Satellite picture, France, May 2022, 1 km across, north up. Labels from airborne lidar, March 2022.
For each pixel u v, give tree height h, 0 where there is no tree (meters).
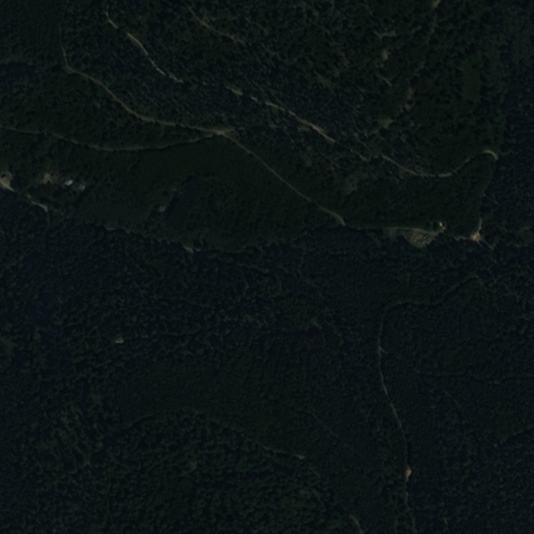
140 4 28
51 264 27
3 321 32
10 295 8
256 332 23
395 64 11
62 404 34
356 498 23
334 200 13
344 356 23
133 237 13
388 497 20
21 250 27
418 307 12
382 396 13
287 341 26
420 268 26
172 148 11
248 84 30
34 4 17
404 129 9
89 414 14
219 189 8
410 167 25
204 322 30
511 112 26
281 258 29
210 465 32
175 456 30
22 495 27
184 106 6
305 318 23
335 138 31
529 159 26
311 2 29
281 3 28
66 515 25
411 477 6
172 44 29
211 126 12
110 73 32
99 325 33
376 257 13
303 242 23
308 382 24
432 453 14
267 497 34
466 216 16
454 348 17
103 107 33
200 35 7
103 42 32
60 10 14
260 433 22
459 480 30
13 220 18
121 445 34
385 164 33
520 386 13
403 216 11
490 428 11
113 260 37
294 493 32
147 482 32
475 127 10
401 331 18
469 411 20
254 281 32
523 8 30
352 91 31
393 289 16
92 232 25
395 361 16
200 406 21
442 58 8
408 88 16
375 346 14
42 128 23
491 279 17
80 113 17
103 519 16
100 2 21
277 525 35
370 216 11
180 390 19
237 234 9
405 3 7
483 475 31
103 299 25
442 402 32
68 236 29
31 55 20
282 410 21
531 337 12
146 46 0
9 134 10
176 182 13
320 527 35
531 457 29
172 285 17
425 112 10
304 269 19
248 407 20
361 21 14
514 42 25
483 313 13
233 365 23
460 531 29
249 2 31
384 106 13
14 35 21
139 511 8
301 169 15
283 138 31
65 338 34
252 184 12
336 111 32
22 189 20
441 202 10
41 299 6
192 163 12
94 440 39
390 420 11
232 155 12
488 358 10
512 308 14
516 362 16
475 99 0
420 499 34
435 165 7
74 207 18
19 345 33
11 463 10
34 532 29
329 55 10
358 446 16
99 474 21
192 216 13
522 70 24
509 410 12
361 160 26
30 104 12
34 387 16
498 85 24
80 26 19
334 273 22
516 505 22
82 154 14
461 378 15
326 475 21
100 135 13
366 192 14
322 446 23
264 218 9
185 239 12
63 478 25
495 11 27
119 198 15
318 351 29
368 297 10
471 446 33
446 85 10
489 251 28
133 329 21
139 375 19
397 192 8
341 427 18
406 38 12
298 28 33
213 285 16
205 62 9
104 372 34
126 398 19
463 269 24
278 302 22
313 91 26
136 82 7
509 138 26
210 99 33
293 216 12
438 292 14
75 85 14
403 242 29
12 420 28
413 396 18
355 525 11
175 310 35
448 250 31
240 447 34
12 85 20
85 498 29
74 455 7
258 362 27
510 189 20
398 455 13
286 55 6
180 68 27
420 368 14
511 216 25
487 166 17
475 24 25
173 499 27
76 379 24
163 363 17
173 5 32
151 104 30
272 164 15
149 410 21
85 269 29
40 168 16
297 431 22
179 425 30
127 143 13
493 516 25
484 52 28
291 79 31
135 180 11
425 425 14
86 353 40
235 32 29
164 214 7
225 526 31
